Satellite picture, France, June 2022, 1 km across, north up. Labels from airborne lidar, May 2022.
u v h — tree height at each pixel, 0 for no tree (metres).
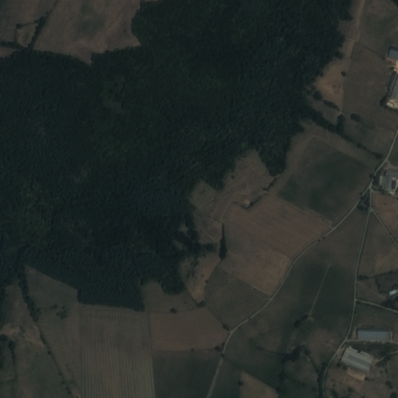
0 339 15
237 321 0
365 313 0
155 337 0
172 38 27
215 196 0
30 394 0
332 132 12
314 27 12
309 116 18
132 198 24
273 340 0
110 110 12
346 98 0
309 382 0
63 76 16
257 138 19
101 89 22
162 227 23
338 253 0
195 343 0
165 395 0
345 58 0
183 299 0
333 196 0
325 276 0
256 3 22
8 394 0
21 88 16
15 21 0
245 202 0
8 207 15
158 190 12
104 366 0
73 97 17
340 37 8
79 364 0
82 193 13
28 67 17
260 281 0
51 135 18
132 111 12
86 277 31
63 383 9
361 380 0
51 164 16
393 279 0
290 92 16
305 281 0
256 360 0
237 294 0
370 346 0
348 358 0
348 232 0
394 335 0
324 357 0
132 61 15
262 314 0
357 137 0
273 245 0
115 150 17
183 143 13
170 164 11
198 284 0
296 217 0
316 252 0
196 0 12
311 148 0
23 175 21
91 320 0
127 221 29
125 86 16
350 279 0
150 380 0
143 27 21
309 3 11
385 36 0
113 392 0
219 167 10
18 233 14
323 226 0
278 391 13
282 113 24
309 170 0
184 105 19
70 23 0
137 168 24
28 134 11
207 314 0
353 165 0
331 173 0
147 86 14
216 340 0
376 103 0
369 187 0
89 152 14
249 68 19
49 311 0
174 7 16
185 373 0
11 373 0
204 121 18
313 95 14
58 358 0
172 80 17
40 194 16
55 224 25
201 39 23
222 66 20
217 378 0
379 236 0
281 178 0
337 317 0
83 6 0
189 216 11
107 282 31
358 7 0
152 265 32
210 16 15
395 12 0
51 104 23
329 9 20
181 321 0
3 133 14
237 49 22
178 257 11
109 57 14
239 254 0
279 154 17
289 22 27
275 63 12
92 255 27
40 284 0
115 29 0
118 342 0
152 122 22
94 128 10
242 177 0
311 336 0
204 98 19
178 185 12
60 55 7
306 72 18
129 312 0
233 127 15
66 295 0
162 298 0
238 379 0
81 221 16
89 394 0
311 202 0
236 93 26
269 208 0
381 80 0
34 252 33
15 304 0
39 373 0
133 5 0
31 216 17
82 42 0
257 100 14
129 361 0
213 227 0
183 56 17
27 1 0
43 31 0
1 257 33
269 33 23
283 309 0
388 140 0
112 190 27
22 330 0
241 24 16
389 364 0
